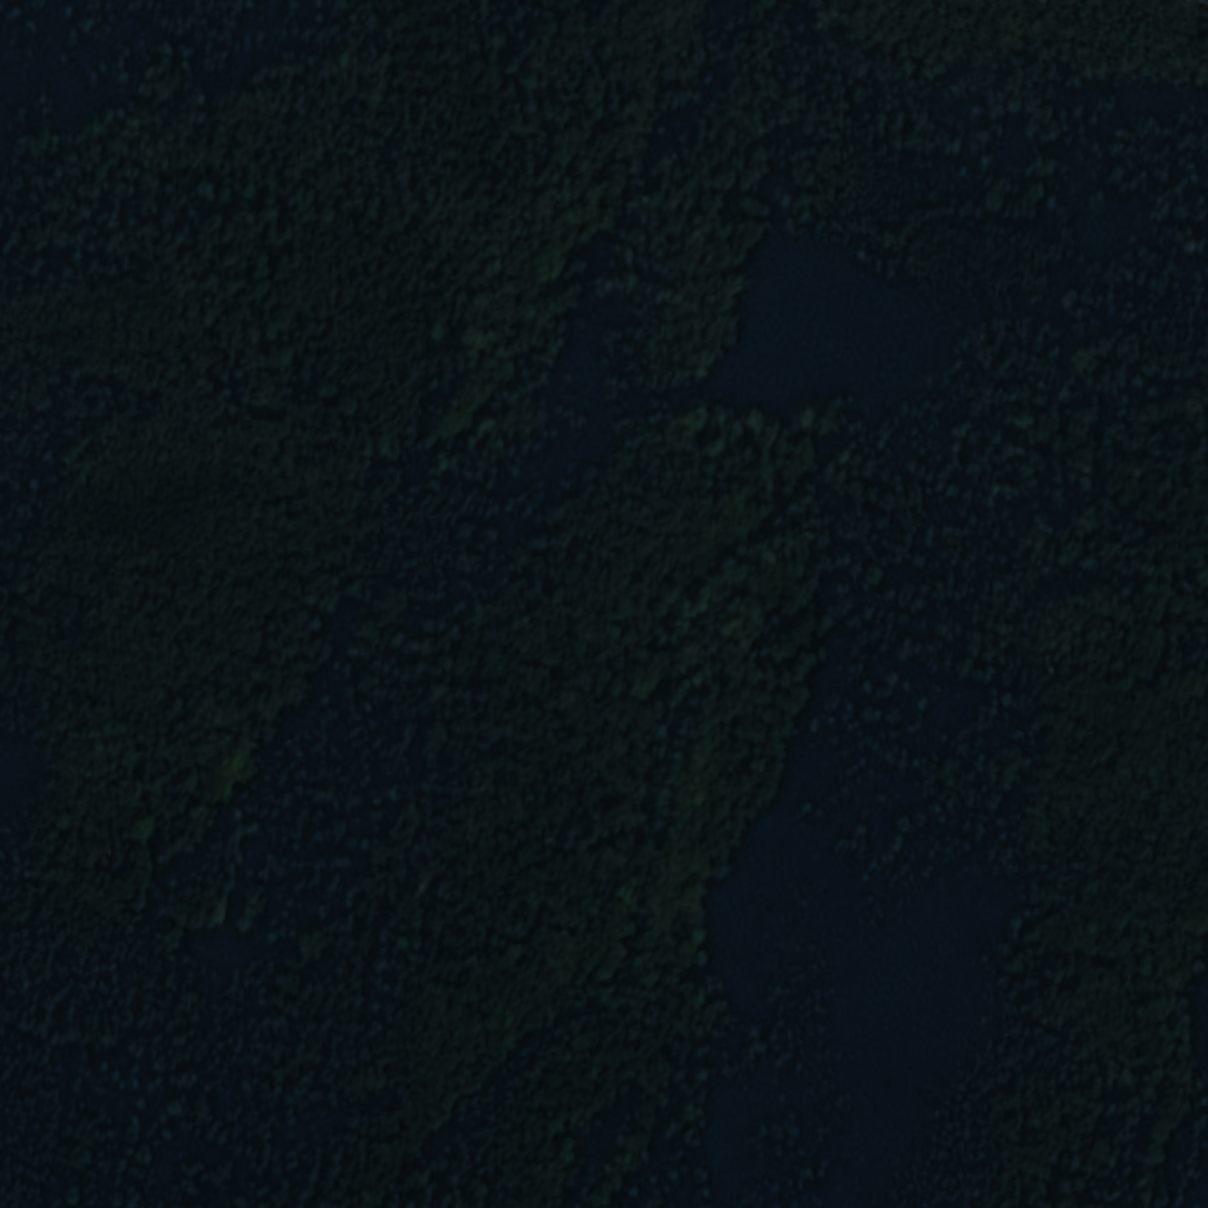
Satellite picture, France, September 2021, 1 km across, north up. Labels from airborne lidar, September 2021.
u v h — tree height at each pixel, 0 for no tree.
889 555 30
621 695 21
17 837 30
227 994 41
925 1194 28
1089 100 25
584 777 28
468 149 16
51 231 26
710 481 25
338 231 20
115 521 28
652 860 39
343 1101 31
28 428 24
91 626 27
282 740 32
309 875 41
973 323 12
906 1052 29
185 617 28
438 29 20
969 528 31
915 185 16
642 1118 33
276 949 27
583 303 36
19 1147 23
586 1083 28
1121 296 28
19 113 27
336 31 29
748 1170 27
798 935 40
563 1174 27
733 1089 31
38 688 27
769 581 37
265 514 28
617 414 28
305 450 22
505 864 36
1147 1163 39
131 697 25
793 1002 32
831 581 12
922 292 14
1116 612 31
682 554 31
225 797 34
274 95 24
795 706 30
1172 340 34
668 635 37
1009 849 32
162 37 21
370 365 18
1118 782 31
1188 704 27
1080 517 38
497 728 28
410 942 35
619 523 30
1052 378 28
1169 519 36
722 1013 49
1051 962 26
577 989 25
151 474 24
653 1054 37
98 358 28
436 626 39
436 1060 26
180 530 27
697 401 16
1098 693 33
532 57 25
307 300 24
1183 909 30
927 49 26
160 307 27
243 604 26
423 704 33
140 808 15
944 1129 31
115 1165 31
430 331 29
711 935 28
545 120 26
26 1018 35
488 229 20
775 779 40
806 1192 31
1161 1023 26
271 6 18
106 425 28
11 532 27
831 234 9
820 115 34
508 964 30
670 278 29
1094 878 32
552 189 21
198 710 30
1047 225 17
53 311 26
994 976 26
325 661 25
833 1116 35
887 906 30
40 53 24
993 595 36
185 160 27
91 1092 24
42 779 21
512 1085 37
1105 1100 31
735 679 33
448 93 16
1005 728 26
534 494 40
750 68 28
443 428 30
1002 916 30
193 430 28
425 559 33
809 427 27
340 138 24
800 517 28
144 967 32
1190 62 27
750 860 7
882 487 34
